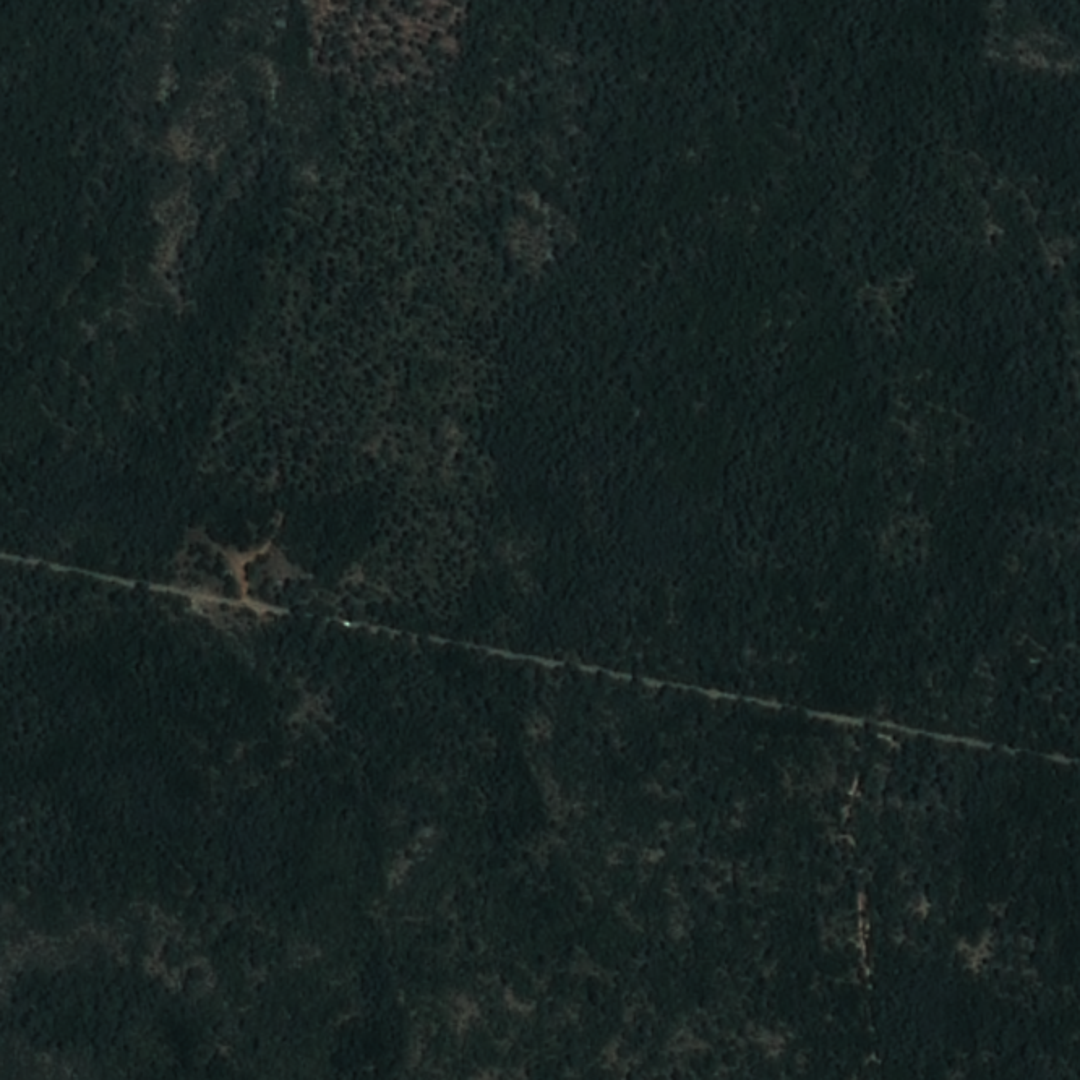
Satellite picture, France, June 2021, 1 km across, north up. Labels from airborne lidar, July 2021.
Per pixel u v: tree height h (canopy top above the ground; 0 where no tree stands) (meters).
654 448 8
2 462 9
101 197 14
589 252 15
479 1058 6
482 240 12
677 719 9
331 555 14
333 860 8
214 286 6
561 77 11
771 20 13
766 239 6
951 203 17
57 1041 9
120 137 10
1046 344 15
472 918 10
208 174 12
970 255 8
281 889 7
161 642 8
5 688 12
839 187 16
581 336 8
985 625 10
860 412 10
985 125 10
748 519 15
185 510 11
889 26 8
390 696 12
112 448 7
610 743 17
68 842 9
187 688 10
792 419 12
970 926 8
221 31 9
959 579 13
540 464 12
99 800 13
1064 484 17
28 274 7
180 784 10
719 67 13
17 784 11
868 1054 10
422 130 14
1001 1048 15
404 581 6
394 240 12
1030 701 9
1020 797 8
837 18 18
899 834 6
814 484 10
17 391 8
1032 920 9
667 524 15
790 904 7
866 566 9
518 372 12
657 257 14
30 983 7
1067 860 11
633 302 7
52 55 7
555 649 9
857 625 8
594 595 13
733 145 6
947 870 12
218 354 7
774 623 13
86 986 7
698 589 7
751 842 9
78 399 6
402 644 14
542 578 11
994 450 17
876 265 7
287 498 11
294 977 7
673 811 6
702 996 10
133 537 12
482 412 10
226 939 9
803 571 11
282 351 11
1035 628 6
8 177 7
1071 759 8
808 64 18
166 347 11
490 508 7
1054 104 13
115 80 16
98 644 9
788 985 8
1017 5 11
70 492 10
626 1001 6
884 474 7
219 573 10
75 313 7
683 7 13
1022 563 6
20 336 6
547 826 9
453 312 9
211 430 11
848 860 13
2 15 10
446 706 17
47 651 13
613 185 7
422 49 13
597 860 5
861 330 9
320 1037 9
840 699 8
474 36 13
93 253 9
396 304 7
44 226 6
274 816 8
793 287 6
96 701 12
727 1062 8
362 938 7
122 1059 6
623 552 13
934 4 12
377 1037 9
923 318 19
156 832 8
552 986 9
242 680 7
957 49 10
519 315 15
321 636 6
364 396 6
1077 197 12
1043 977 7
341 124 12
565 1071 12
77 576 10
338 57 12
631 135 8
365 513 13
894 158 9
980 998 9
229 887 11
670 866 6
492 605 14
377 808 8
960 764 6
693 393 10
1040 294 9
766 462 13
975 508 10
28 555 15
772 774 6
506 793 16
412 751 6
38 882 8
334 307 17
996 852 9
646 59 6
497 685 8
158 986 13
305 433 12
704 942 8
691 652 6
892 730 13
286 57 6
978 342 18
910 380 6
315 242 16
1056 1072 11
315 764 8
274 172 17
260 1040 8
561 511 13
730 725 12
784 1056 6
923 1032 16
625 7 15
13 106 11
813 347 12
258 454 17
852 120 18
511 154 11
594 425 16
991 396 13
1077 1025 6
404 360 9
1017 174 15
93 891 9
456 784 12
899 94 9
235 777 6
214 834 9
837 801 8
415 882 5
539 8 12
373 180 11
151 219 11
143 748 9
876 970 7
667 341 6
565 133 12
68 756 14
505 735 8
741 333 6
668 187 10
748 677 7
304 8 12
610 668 16
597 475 9
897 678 8
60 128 6
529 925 8
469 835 7
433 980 7
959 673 9
